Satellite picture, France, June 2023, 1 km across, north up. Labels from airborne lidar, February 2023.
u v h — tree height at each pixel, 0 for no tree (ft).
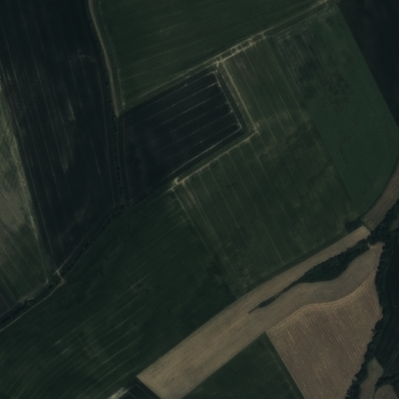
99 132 0
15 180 0
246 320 0
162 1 0
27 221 0
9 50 0
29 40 0
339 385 0
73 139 0
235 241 0
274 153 0
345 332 0
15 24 0
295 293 0
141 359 0
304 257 0
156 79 0
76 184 0
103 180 0
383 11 0
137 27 0
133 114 0
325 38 0
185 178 0
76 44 0
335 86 0
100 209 0
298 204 0
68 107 0
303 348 0
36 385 0
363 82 0
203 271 0
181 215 0
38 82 0
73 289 0
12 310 0
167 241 0
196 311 0
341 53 0
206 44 0
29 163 0
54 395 0
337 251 0
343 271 23
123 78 0
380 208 0
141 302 0
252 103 0
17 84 0
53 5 0
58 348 0
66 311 0
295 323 0
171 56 0
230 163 0
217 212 0
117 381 0
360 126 0
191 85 0
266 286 0
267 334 0
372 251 0
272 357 0
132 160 0
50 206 0
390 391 0
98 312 0
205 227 0
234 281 0
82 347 0
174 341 0
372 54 0
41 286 0
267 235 0
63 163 0
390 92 0
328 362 0
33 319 0
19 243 0
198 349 0
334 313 0
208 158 0
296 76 0
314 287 0
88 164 0
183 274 0
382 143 0
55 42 0
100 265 0
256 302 0
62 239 0
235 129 0
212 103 0
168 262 0
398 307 0
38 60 0
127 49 0
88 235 0
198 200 0
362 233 0
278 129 0
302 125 0
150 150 0
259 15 0
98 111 0
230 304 0
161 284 0
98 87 0
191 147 0
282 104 0
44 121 0
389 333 0
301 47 0
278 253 0
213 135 0
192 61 0
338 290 0
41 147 0
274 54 0
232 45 0
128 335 0
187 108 0
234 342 0
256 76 0
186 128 0
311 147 0
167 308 0
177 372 0
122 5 0
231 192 0
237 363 0
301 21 0
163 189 0
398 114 0
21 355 0
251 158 0
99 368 0
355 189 0
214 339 0
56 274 0
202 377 0
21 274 0
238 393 0
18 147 0
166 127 0
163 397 0
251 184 0
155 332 0
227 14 0
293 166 0
